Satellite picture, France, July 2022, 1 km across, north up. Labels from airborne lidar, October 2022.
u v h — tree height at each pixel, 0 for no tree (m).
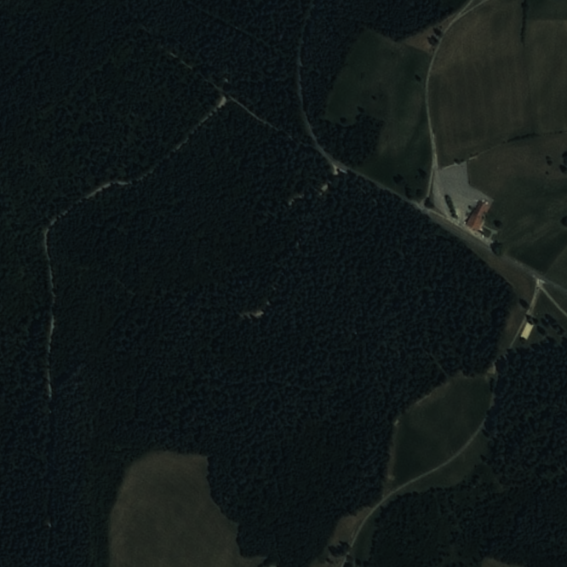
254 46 33
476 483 17
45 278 14
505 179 0
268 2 31
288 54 23
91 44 10
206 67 7
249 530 16
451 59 0
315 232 27
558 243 0
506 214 0
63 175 7
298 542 18
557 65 0
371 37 0
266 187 21
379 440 21
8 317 12
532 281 0
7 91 18
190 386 20
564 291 0
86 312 5
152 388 25
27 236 13
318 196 21
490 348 24
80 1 14
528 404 26
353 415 17
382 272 28
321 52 22
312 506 17
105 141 11
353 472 15
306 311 28
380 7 10
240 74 18
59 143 9
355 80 0
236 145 16
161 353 25
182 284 18
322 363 34
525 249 0
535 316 0
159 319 20
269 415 31
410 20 17
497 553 19
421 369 11
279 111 16
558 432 34
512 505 9
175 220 17
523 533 26
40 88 13
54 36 13
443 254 28
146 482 0
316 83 22
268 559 7
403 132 0
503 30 0
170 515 0
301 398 28
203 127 6
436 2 8
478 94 0
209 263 16
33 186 6
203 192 15
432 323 30
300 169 30
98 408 10
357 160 8
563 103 0
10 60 12
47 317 18
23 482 28
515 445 36
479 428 0
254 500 14
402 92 0
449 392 0
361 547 0
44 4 12
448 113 0
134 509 0
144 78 13
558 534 25
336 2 22
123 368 18
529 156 0
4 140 15
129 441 26
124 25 21
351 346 24
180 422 8
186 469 0
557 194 0
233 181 18
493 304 27
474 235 0
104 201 7
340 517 13
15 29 13
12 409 31
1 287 6
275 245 21
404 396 33
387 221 26
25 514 21
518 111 0
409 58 0
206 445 20
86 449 17
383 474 24
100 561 6
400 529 14
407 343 27
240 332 23
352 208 31
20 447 25
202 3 25
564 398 28
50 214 10
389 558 5
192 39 32
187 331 29
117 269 11
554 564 21
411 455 0
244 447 26
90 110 15
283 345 31
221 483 25
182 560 0
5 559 24
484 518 11
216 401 24
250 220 16
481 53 0
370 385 23
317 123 15
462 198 0
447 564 0
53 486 30
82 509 17
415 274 25
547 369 26
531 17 0
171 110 15
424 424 0
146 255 13
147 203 16
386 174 0
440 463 0
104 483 11
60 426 23
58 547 22
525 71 0
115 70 11
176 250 17
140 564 0
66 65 17
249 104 19
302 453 18
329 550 0
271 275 27
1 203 23
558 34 0
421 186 0
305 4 29
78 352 8
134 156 11
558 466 6
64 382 24
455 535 12
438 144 0
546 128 0
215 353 16
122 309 11
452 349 18
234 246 24
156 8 28
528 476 16
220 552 0
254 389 32
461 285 28
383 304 27
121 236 20
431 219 17
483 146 0
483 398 0
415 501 15
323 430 22
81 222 9
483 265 32
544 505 21
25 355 29
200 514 0
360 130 13
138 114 15
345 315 24
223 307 24
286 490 22
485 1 0
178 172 11
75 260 10
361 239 34
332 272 23
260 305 26
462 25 0
